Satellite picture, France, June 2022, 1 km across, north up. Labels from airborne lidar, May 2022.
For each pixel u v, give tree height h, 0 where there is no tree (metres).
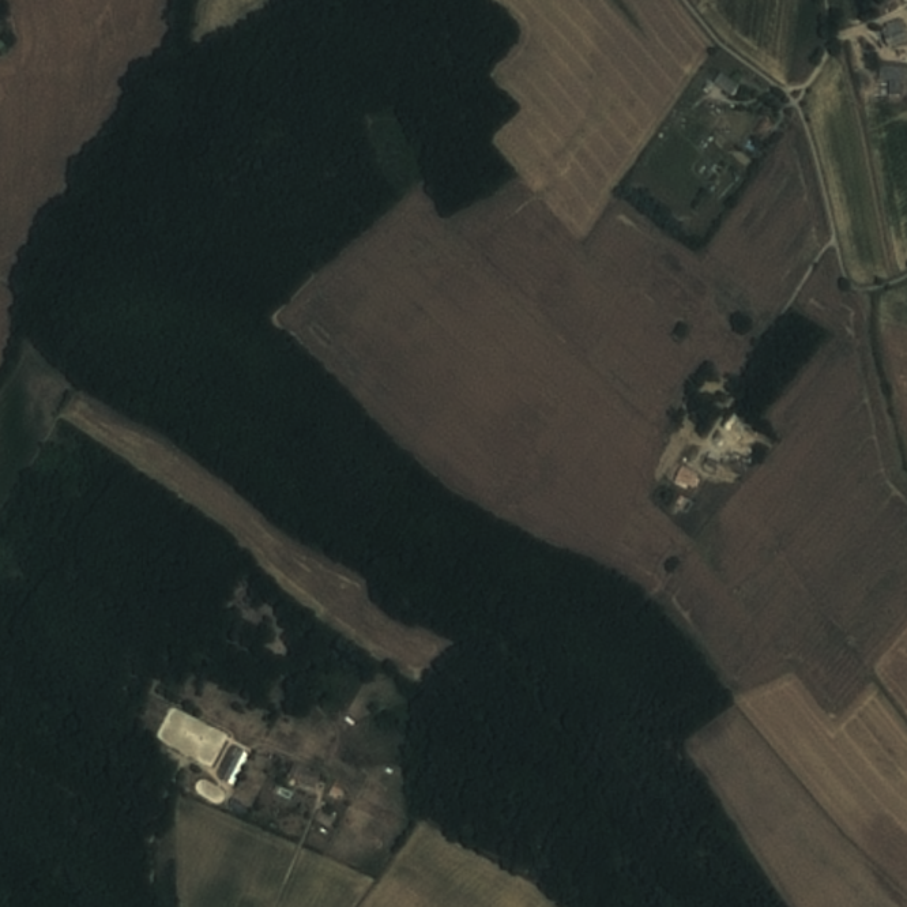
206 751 0
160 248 13
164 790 12
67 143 0
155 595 19
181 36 19
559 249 0
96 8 0
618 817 19
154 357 17
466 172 14
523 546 10
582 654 12
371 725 0
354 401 13
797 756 0
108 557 18
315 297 0
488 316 0
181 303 12
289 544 0
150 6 0
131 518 19
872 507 0
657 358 0
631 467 0
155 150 14
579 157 0
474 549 12
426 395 0
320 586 0
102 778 8
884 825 0
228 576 18
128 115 15
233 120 20
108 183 15
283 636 12
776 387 19
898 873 0
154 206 13
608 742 17
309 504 21
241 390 17
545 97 0
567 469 0
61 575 14
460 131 13
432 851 0
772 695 0
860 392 0
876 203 0
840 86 0
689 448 0
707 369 15
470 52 13
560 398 0
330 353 0
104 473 10
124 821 18
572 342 0
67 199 15
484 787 18
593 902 13
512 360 0
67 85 0
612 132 0
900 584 0
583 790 16
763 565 0
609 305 0
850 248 0
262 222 11
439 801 18
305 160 15
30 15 0
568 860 18
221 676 16
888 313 0
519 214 0
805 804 0
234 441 19
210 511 0
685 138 0
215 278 11
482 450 0
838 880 0
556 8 0
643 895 9
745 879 14
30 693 22
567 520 0
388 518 9
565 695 17
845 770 0
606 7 0
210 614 19
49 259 15
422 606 16
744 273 0
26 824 16
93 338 16
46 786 8
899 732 0
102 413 0
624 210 0
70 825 9
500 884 0
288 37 16
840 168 0
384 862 0
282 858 0
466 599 10
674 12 0
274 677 16
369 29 13
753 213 0
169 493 13
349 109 12
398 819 0
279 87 13
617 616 20
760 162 8
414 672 0
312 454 19
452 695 21
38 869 18
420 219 0
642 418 0
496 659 22
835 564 0
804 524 0
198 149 17
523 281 0
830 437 0
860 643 0
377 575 18
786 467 0
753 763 0
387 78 13
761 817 0
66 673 17
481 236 0
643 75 0
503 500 0
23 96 0
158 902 10
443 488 9
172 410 18
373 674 15
